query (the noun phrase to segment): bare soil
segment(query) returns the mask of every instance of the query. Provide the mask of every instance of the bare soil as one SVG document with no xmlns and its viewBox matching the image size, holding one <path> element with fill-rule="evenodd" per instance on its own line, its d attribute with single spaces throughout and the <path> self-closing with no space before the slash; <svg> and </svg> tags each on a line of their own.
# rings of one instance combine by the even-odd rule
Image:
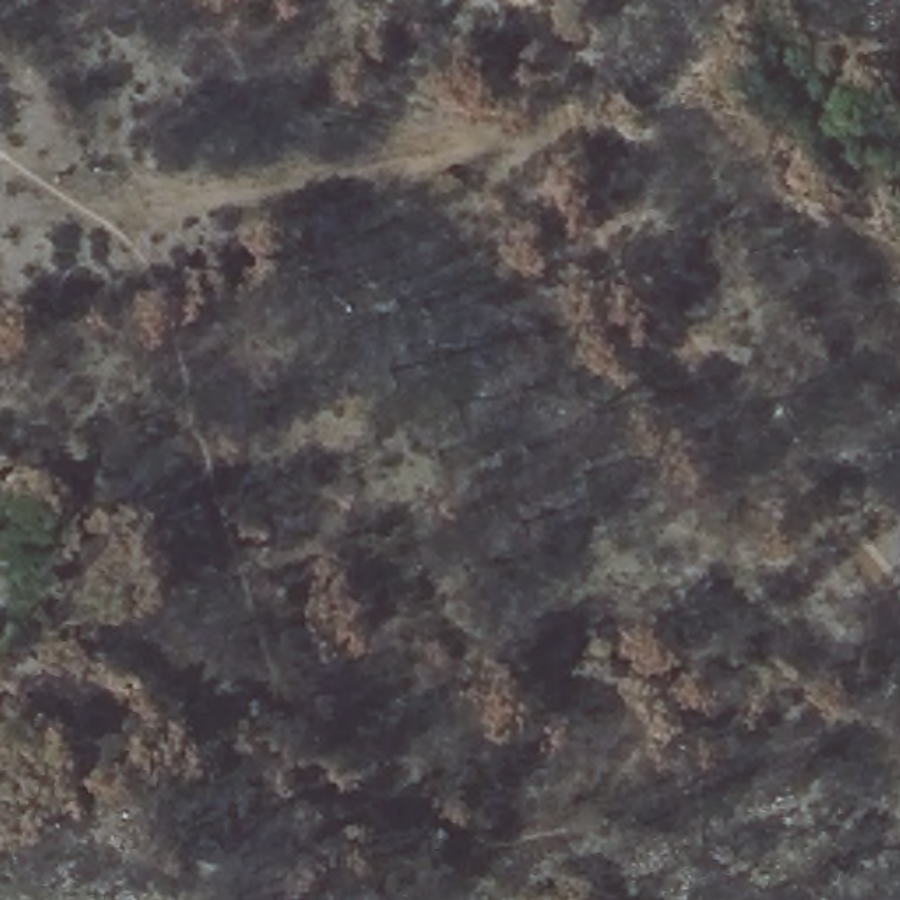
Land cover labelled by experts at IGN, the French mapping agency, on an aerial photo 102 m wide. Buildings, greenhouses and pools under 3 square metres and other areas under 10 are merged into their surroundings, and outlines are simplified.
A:
<svg viewBox="0 0 900 900">
<path fill-rule="evenodd" d="M 338 534 L 338 570 L 345 573 L 348 598 L 359 601 L 355 629 L 366 640 L 362 654 L 345 657 L 341 724 L 362 745 L 366 766 L 341 770 L 334 763 L 327 770 L 327 780 L 341 791 L 373 780 L 369 805 L 383 816 L 383 833 L 415 830 L 418 837 L 432 840 L 439 861 L 461 868 L 461 882 L 450 889 L 446 900 L 900 900 L 900 193 L 889 193 L 889 186 L 875 186 L 868 218 L 854 218 L 851 229 L 830 229 L 826 211 L 819 204 L 826 176 L 816 169 L 816 162 L 795 137 L 770 134 L 770 127 L 745 105 L 742 91 L 735 91 L 731 74 L 749 63 L 752 21 L 773 21 L 788 28 L 798 21 L 809 42 L 844 49 L 844 77 L 851 84 L 879 84 L 889 91 L 893 105 L 900 105 L 900 0 L 0 0 L 0 141 L 7 148 L 25 144 L 18 123 L 18 91 L 11 88 L 11 77 L 25 67 L 35 67 L 39 77 L 49 84 L 56 123 L 74 127 L 81 148 L 81 158 L 60 169 L 60 186 L 70 190 L 77 200 L 109 197 L 113 186 L 123 186 L 127 176 L 155 155 L 158 172 L 165 176 L 186 169 L 218 179 L 250 176 L 264 197 L 281 200 L 281 211 L 302 232 L 299 253 L 285 260 L 292 281 L 285 295 L 243 302 L 239 309 L 214 309 L 211 323 L 200 323 L 186 338 L 162 341 L 158 348 L 137 345 L 130 330 L 134 306 L 109 320 L 102 313 L 88 313 L 81 320 L 42 327 L 25 345 L 21 292 L 0 292 L 0 489 L 35 496 L 46 506 L 60 503 L 60 517 L 53 520 L 42 548 L 46 555 L 63 552 L 70 559 L 53 570 L 53 598 L 42 598 L 25 615 L 7 612 L 0 605 L 0 657 L 11 664 L 35 657 L 35 643 L 42 643 L 42 633 L 53 629 L 56 640 L 74 640 L 84 650 L 84 657 L 105 661 L 116 675 L 137 675 L 144 682 L 137 696 L 120 700 L 102 686 L 74 682 L 70 675 L 21 679 L 21 721 L 28 724 L 32 717 L 46 714 L 60 728 L 63 752 L 74 759 L 74 770 L 91 777 L 95 766 L 120 766 L 130 798 L 95 798 L 84 788 L 74 795 L 81 805 L 77 819 L 56 812 L 53 819 L 42 819 L 39 840 L 32 847 L 0 851 L 0 900 L 204 900 L 197 893 L 197 879 L 214 875 L 214 861 L 176 865 L 176 854 L 162 858 L 158 837 L 148 823 L 155 809 L 169 798 L 165 777 L 200 777 L 200 756 L 197 745 L 183 735 L 183 724 L 162 717 L 151 707 L 155 693 L 169 693 L 169 671 L 176 668 L 151 643 L 151 633 L 165 622 L 165 594 L 179 577 L 190 573 L 190 563 L 186 552 L 165 531 L 165 510 L 148 485 L 155 478 L 165 478 L 190 457 L 200 457 L 204 468 L 214 468 L 221 461 L 285 461 L 295 457 L 302 446 L 352 450 L 366 425 L 376 436 L 383 436 L 394 454 L 401 454 L 401 468 L 390 478 L 366 485 L 369 499 L 383 506 L 376 506 L 373 513 L 348 510 L 348 527 Z"/>
</svg>

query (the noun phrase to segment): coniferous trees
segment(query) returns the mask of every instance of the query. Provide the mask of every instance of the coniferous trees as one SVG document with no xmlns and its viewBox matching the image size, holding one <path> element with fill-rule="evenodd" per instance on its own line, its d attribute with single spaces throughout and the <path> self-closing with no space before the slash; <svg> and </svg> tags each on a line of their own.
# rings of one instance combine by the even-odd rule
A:
<svg viewBox="0 0 900 900">
<path fill-rule="evenodd" d="M 109 320 L 134 306 L 130 330 L 137 345 L 158 348 L 162 341 L 186 338 L 200 323 L 211 323 L 214 309 L 239 309 L 243 302 L 285 295 L 292 281 L 285 260 L 299 253 L 302 232 L 281 211 L 281 200 L 264 197 L 250 176 L 218 179 L 186 169 L 165 176 L 158 172 L 155 155 L 127 176 L 123 186 L 113 186 L 109 197 L 77 200 L 70 190 L 60 186 L 60 169 L 81 158 L 81 148 L 74 127 L 56 123 L 49 84 L 39 77 L 35 67 L 25 67 L 11 77 L 11 88 L 18 91 L 18 123 L 25 144 L 7 148 L 0 141 L 0 292 L 21 292 L 25 345 L 42 327 L 81 320 L 88 313 L 102 313 Z"/>
<path fill-rule="evenodd" d="M 158 837 L 162 858 L 176 854 L 176 865 L 214 861 L 214 875 L 197 879 L 197 893 L 204 900 L 446 900 L 450 889 L 461 882 L 461 868 L 439 861 L 432 840 L 418 837 L 415 830 L 383 833 L 383 816 L 369 805 L 373 780 L 341 791 L 327 780 L 327 770 L 334 763 L 341 770 L 366 766 L 362 745 L 341 724 L 345 657 L 362 654 L 366 640 L 355 629 L 359 601 L 348 598 L 345 573 L 338 570 L 338 534 L 348 527 L 348 510 L 373 513 L 376 506 L 383 506 L 369 499 L 366 485 L 390 478 L 401 468 L 401 454 L 394 454 L 383 436 L 376 436 L 366 425 L 352 450 L 302 446 L 295 457 L 285 461 L 221 461 L 214 468 L 204 468 L 200 457 L 190 457 L 165 478 L 155 478 L 148 485 L 165 510 L 165 531 L 186 552 L 190 563 L 190 573 L 179 577 L 165 594 L 165 622 L 151 633 L 151 643 L 176 668 L 169 671 L 169 693 L 155 693 L 151 707 L 162 717 L 183 724 L 183 735 L 197 745 L 200 756 L 200 777 L 165 777 L 169 798 L 155 809 L 148 823 Z"/>
</svg>

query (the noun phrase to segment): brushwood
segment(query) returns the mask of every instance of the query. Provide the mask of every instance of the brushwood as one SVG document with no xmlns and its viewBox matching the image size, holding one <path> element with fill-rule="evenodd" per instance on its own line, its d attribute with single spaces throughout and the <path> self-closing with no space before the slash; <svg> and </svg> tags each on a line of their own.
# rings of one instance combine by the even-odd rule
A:
<svg viewBox="0 0 900 900">
<path fill-rule="evenodd" d="M 53 598 L 53 570 L 70 559 L 63 552 L 46 555 L 42 548 L 53 520 L 60 517 L 60 503 L 46 506 L 35 496 L 0 489 L 0 605 L 7 612 L 25 615 L 42 598 Z"/>
<path fill-rule="evenodd" d="M 144 682 L 137 675 L 116 675 L 105 661 L 84 657 L 84 650 L 74 640 L 56 640 L 53 629 L 42 633 L 42 643 L 35 643 L 35 657 L 11 664 L 0 657 L 0 851 L 32 847 L 39 840 L 42 819 L 53 819 L 56 812 L 77 819 L 81 805 L 74 795 L 84 788 L 95 798 L 130 798 L 120 766 L 95 766 L 91 777 L 74 770 L 74 759 L 63 752 L 60 728 L 46 714 L 32 717 L 28 724 L 21 721 L 21 679 L 70 675 L 74 682 L 102 686 L 120 700 L 137 696 Z"/>
<path fill-rule="evenodd" d="M 731 74 L 735 91 L 742 91 L 745 105 L 770 127 L 770 134 L 795 137 L 816 162 L 816 169 L 826 176 L 819 204 L 826 211 L 830 229 L 851 229 L 854 218 L 868 218 L 875 186 L 889 186 L 889 193 L 900 193 L 900 105 L 893 105 L 889 91 L 879 84 L 851 84 L 844 77 L 844 49 L 809 42 L 798 21 L 788 28 L 773 21 L 752 21 L 749 63 Z"/>
</svg>

